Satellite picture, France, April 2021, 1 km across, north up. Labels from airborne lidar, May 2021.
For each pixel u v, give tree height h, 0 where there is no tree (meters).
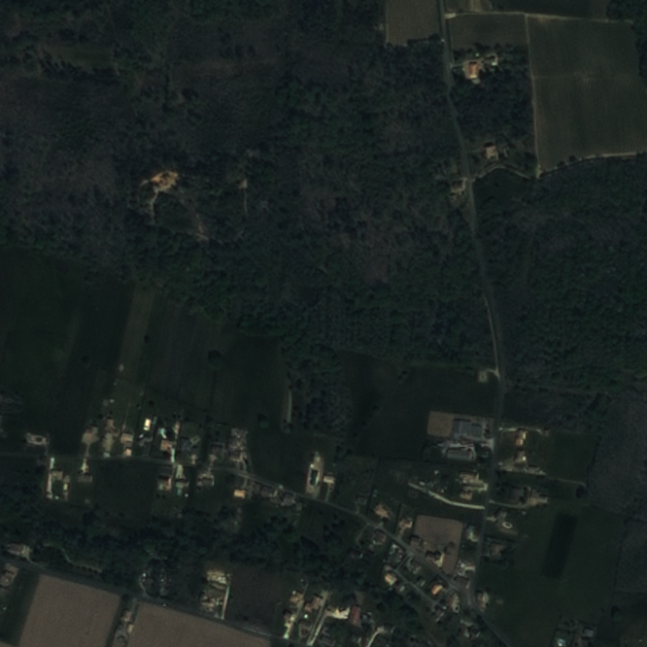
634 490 10
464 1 0
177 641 0
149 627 0
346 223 16
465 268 22
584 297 16
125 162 15
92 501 0
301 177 15
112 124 6
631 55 0
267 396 0
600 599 0
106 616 0
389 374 0
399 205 12
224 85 7
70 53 0
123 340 0
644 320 17
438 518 0
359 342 14
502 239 15
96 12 18
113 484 0
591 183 14
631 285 19
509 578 0
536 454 0
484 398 0
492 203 11
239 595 0
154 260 22
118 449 0
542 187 7
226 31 9
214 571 0
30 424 0
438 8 0
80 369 0
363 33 9
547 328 14
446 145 13
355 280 18
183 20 6
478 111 19
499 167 0
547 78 0
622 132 0
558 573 0
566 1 0
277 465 0
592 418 12
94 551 23
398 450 0
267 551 21
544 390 8
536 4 0
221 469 0
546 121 0
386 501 0
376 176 6
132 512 0
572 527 0
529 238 10
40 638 0
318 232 8
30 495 19
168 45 7
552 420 7
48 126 9
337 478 0
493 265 10
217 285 20
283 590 0
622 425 15
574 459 0
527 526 0
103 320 0
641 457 14
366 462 0
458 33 0
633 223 14
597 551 0
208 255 18
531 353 9
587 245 15
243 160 16
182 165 17
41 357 0
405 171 13
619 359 19
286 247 19
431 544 0
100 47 7
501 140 13
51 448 0
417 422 0
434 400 0
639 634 0
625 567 10
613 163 13
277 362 0
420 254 9
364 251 12
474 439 0
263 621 0
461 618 0
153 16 13
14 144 22
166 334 0
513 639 0
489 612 0
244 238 7
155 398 0
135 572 15
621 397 13
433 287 21
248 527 0
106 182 13
